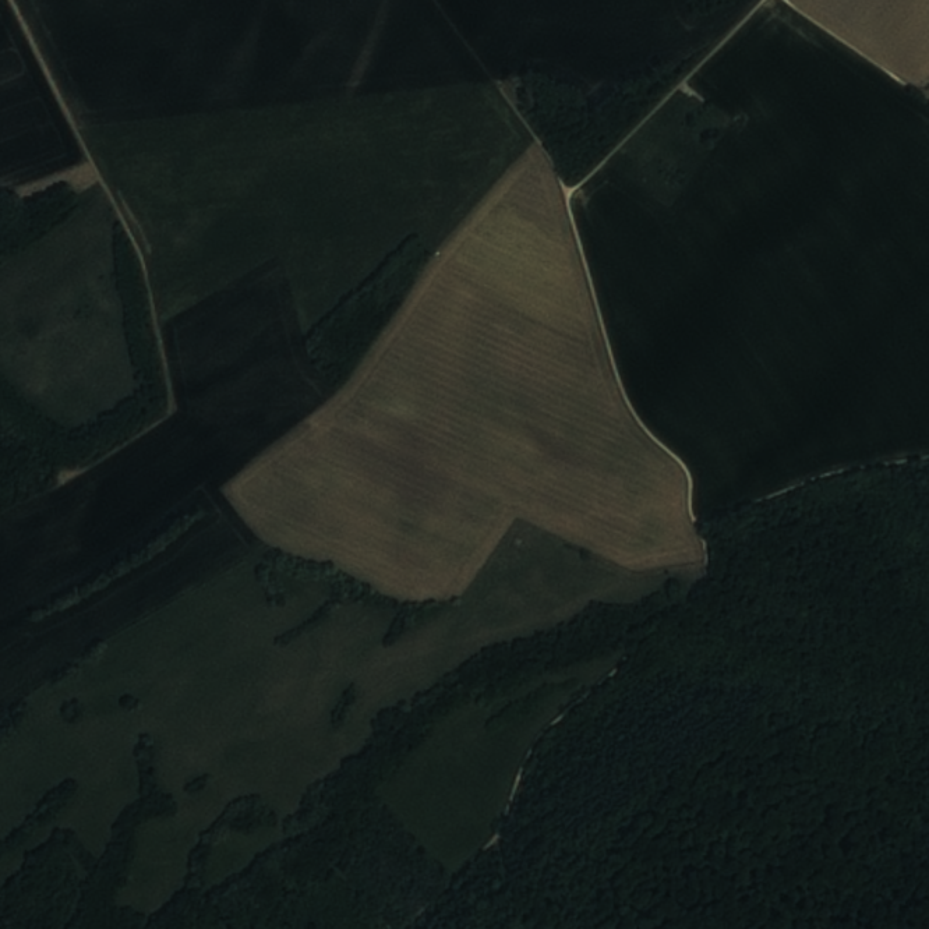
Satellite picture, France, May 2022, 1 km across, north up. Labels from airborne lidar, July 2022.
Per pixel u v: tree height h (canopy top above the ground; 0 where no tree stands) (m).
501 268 0
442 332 0
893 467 11
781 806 24
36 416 14
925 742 22
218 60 0
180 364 0
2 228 21
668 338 0
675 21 0
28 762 0
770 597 5
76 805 0
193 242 0
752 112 0
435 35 0
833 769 22
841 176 0
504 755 0
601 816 10
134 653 0
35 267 0
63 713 8
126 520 0
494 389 0
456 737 0
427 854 14
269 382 0
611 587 0
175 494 0
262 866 18
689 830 21
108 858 7
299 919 17
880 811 24
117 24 0
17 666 0
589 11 0
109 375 0
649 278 0
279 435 0
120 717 0
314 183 0
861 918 25
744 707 24
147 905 0
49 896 6
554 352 0
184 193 0
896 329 0
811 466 0
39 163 0
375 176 0
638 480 0
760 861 24
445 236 0
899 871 22
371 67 0
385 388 0
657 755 22
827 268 0
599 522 0
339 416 0
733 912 22
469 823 0
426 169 0
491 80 0
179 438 0
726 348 0
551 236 0
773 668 18
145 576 0
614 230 0
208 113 0
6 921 13
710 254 0
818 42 0
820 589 7
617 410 0
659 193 0
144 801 8
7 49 0
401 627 6
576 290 0
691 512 0
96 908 8
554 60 0
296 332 0
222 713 0
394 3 0
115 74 0
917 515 21
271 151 0
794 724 23
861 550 17
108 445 9
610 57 0
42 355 0
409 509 0
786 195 0
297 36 0
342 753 0
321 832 19
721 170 0
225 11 0
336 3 0
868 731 18
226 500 0
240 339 0
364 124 0
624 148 0
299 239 0
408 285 11
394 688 0
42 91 0
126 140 0
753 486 0
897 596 17
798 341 0
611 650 17
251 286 0
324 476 0
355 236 0
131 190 0
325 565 9
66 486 0
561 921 22
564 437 0
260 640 0
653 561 0
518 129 0
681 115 0
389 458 0
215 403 0
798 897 18
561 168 14
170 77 0
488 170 0
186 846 0
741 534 14
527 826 25
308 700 0
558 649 12
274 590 10
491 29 0
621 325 0
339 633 0
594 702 16
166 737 0
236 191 0
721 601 10
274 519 0
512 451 0
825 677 20
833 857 24
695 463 0
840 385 0
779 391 0
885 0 0
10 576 0
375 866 22
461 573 0
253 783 0
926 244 0
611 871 17
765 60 0
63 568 0
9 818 0
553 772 11
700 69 0
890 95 0
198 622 0
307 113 0
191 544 0
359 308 10
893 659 15
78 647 0
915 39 0
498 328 0
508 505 0
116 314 0
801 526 16
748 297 0
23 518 0
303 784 0
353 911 16
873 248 0
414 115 0
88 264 0
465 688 12
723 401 0
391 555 0
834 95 0
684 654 17
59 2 0
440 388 0
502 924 25
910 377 0
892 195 0
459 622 0
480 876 16
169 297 0
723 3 9
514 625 0
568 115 20
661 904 28
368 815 18
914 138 0
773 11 0
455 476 0
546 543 0
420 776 0
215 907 15
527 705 6
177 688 0
